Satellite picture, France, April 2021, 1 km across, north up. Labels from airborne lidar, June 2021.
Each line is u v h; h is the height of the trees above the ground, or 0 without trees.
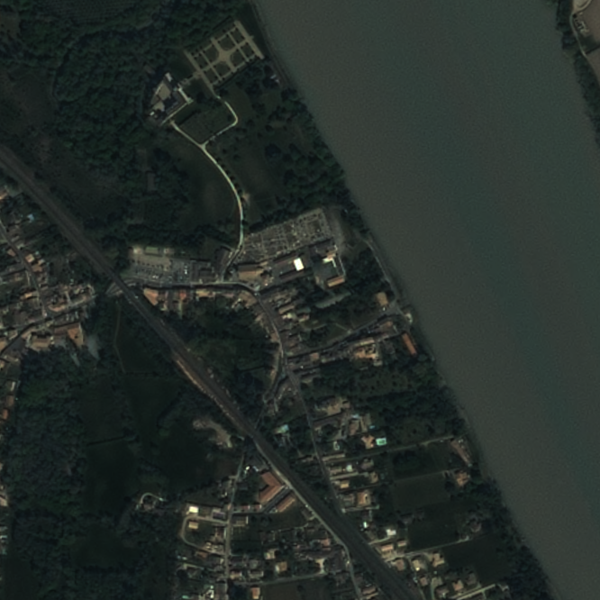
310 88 0
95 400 0
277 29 0
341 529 0
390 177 0
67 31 12
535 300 0
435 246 0
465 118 0
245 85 9
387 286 13
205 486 10
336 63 0
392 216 0
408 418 16
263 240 0
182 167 0
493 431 0
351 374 9
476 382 0
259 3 0
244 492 7
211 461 0
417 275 0
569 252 0
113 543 0
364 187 0
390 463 0
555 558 0
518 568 12
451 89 0
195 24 16
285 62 0
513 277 0
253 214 0
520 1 0
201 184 0
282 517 0
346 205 12
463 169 0
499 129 0
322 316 8
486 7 0
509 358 0
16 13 13
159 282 0
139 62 22
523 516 0
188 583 20
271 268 0
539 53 0
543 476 0
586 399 0
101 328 29
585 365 0
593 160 0
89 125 25
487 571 0
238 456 6
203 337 22
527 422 0
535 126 0
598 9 0
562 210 0
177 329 21
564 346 0
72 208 14
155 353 26
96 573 18
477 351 0
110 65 28
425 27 0
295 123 15
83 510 17
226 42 0
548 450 0
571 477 0
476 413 0
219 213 0
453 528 0
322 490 14
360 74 0
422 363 30
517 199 0
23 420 19
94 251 0
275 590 0
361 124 0
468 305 0
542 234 0
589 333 0
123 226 17
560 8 10
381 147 0
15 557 0
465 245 0
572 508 0
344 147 0
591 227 0
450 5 0
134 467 0
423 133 0
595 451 0
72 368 19
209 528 0
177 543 17
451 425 13
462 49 0
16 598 0
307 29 0
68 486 20
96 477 0
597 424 0
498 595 8
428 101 0
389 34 0
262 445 0
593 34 0
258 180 0
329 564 6
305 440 9
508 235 0
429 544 0
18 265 0
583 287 0
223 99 12
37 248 6
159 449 11
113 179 23
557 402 0
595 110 18
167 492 7
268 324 0
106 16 26
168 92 0
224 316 8
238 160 10
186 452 0
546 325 0
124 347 0
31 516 18
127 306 15
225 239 10
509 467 0
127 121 12
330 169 13
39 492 21
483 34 0
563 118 0
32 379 33
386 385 8
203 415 8
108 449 0
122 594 13
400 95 0
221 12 25
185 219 0
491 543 0
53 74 13
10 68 12
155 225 7
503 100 0
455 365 0
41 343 0
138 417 0
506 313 0
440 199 0
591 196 0
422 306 0
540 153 0
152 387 0
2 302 6
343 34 0
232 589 18
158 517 21
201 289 0
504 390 0
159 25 15
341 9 0
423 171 0
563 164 0
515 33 0
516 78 0
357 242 0
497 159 0
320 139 14
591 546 0
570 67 0
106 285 8
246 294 0
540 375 0
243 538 0
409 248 0
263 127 0
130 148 29
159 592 0
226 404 0
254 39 0
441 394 18
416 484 0
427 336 0
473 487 12
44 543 15
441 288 0
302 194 7
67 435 24
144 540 12
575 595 0
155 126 12
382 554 0
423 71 0
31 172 0
